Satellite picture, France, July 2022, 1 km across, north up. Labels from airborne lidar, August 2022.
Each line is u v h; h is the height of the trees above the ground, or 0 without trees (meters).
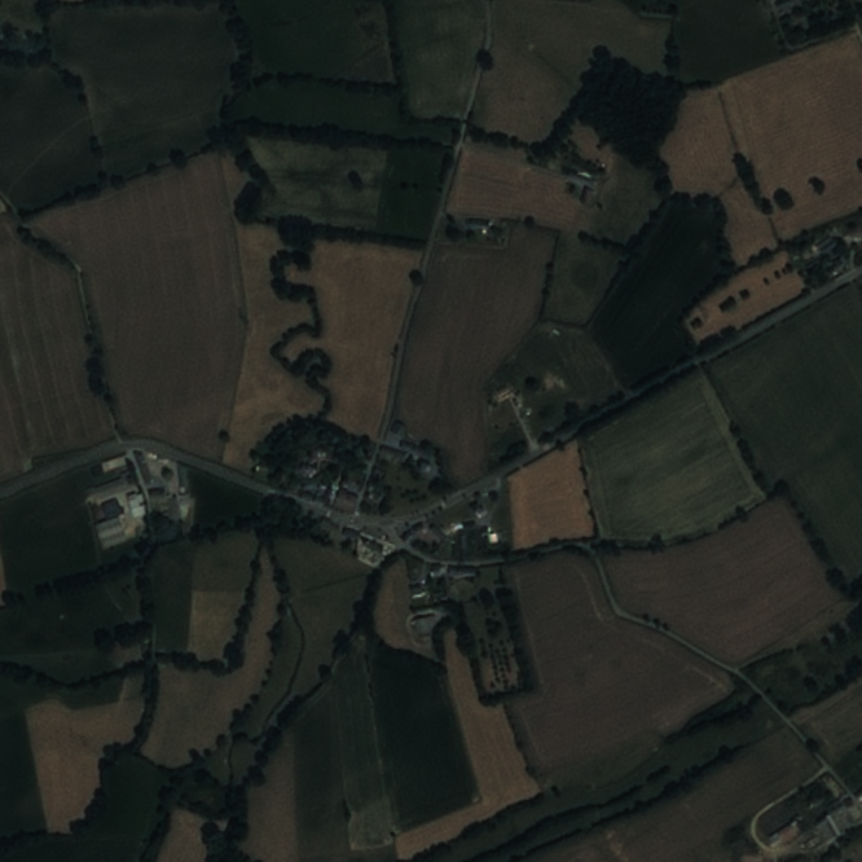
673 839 0
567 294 0
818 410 0
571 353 0
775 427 0
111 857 0
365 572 0
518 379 0
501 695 12
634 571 0
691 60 0
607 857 0
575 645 0
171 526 9
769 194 0
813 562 0
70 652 0
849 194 0
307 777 0
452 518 0
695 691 0
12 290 0
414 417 0
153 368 0
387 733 0
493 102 0
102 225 0
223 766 0
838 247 10
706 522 0
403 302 0
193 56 0
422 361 0
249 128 13
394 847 0
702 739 0
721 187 0
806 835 0
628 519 0
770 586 0
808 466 0
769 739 0
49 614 0
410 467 10
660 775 10
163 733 0
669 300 0
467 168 0
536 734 0
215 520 0
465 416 0
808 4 6
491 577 0
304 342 0
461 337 0
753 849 0
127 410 0
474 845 0
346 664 0
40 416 0
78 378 0
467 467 0
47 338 0
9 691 0
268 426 0
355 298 0
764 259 13
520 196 0
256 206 29
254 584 9
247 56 18
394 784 0
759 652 0
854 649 0
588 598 0
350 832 0
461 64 0
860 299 0
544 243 0
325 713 0
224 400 0
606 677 0
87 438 0
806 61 0
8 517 0
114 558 0
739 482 0
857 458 0
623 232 0
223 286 0
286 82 15
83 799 0
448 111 0
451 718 0
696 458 0
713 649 0
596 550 14
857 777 0
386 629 0
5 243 0
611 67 21
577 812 9
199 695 0
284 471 11
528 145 7
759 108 0
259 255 0
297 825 0
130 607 0
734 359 0
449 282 0
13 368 0
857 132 0
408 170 0
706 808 0
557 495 0
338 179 0
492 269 0
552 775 0
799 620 0
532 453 0
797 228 0
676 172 0
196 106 0
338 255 0
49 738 0
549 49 0
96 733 0
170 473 14
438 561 0
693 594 0
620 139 19
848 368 0
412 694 0
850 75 0
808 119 0
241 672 0
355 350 0
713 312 0
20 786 0
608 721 0
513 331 0
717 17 0
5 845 18
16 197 0
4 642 0
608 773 0
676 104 12
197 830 0
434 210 0
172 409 0
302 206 0
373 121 0
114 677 7
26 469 0
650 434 0
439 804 0
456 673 0
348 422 0
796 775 0
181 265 0
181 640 0
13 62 16
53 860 0
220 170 0
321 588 0
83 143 0
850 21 12
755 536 0
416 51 0
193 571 0
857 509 0
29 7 0
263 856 0
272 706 0
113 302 0
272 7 0
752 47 0
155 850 7
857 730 0
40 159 0
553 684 0
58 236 0
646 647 0
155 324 0
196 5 12
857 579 0
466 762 0
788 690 0
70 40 0
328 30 0
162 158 0
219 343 0
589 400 0
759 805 0
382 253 0
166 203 0
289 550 0
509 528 0
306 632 0
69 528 0
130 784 0
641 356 0
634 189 0
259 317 0
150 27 0
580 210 0
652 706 0
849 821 0
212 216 0
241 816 14
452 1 0
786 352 0
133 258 0
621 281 7
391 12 8
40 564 0
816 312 0
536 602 0
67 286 0
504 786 0
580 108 20
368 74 0
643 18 0
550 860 0
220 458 0
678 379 13
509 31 0
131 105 0
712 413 0
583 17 0
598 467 0
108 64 0
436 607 6
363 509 7
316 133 15
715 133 0
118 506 0
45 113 0
